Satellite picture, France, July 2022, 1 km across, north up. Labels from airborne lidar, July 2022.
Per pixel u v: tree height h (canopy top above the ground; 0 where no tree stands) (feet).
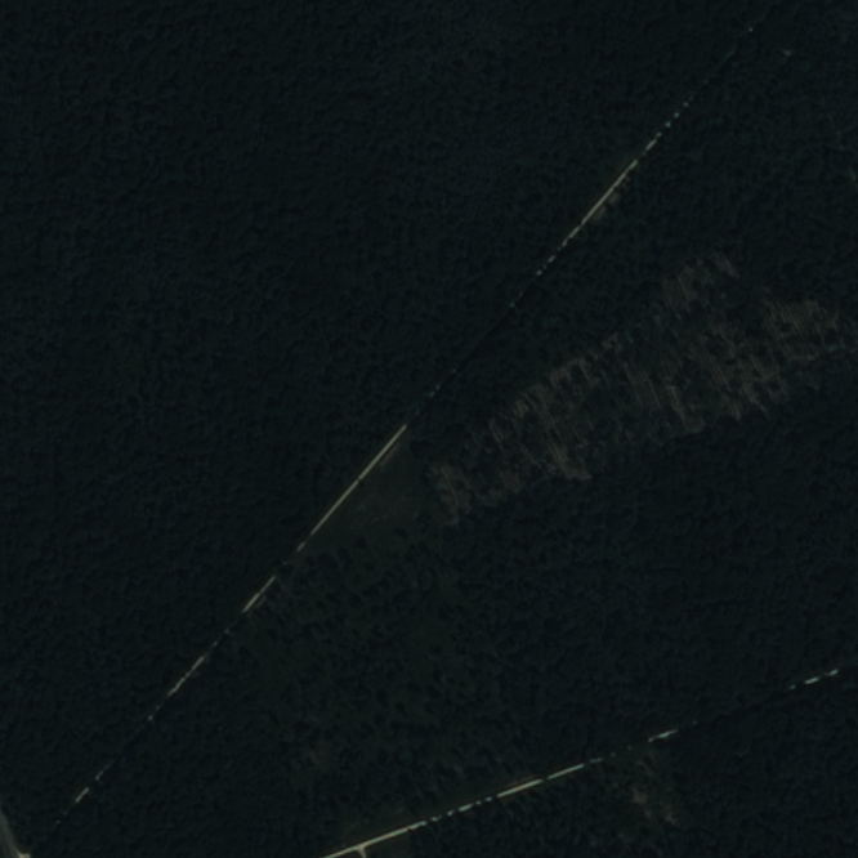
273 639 70
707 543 63
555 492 66
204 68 88
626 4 93
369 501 0
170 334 62
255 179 97
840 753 87
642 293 41
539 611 69
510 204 68
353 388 54
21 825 87
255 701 82
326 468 65
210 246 79
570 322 70
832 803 94
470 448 78
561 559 57
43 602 76
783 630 87
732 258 56
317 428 79
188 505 64
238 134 73
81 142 38
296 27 89
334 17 85
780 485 84
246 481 86
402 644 78
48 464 64
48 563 85
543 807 26
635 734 73
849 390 95
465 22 81
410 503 0
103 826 77
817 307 0
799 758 93
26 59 67
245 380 66
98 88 73
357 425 27
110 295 41
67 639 69
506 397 68
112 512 84
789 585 80
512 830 98
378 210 79
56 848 91
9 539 89
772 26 73
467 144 76
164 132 77
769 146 52
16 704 77
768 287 73
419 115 36
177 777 89
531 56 78
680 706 83
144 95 70
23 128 88
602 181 40
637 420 84
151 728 79
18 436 63
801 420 77
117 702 65
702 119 65
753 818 92
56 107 69
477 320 85
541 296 76
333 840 80
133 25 88
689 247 84
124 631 67
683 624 97
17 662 66
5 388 76
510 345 79
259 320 72
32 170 77
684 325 80
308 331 72
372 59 77
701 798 72
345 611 78
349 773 91
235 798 83
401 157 68
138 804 89
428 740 81
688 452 90
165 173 77
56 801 73
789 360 80
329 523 0
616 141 52
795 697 40
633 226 27
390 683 87
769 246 82
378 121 35
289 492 93
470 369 88
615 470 71
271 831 85
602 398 91
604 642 101
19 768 90
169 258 88
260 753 83
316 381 72
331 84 69
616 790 70
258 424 84
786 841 82
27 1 84
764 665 70
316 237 89
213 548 65
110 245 57
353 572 87
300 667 0
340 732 66
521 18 75
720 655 99
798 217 76
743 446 93
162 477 63
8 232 85
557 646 79
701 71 62
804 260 43
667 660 88
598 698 94
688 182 73
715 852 89
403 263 49
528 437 73
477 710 69
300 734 61
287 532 79
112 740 72
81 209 78
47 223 52
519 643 40
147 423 42
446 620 82
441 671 77
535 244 38
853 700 83
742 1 88
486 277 83
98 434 44
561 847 89
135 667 79
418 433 73
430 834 83
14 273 83
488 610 58
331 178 82
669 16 92
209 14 98
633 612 76
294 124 51
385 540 0
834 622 38
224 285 72
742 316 83
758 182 44
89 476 28
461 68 65
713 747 89
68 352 82
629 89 75
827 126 69
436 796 94
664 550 84
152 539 82
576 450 75
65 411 64
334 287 88
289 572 81
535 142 60
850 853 79
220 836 72
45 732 87
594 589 81
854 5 91
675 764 61
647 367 76
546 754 82
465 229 64
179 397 60
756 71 62
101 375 71
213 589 75
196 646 84
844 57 63
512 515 82
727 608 80
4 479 68
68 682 89
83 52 81
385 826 0
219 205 90
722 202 79
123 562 76
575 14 83
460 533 67
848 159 66
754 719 89
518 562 50
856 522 69
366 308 55
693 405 93
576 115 73
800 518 77
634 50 94
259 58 62
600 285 69
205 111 41
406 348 77
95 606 65
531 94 62
